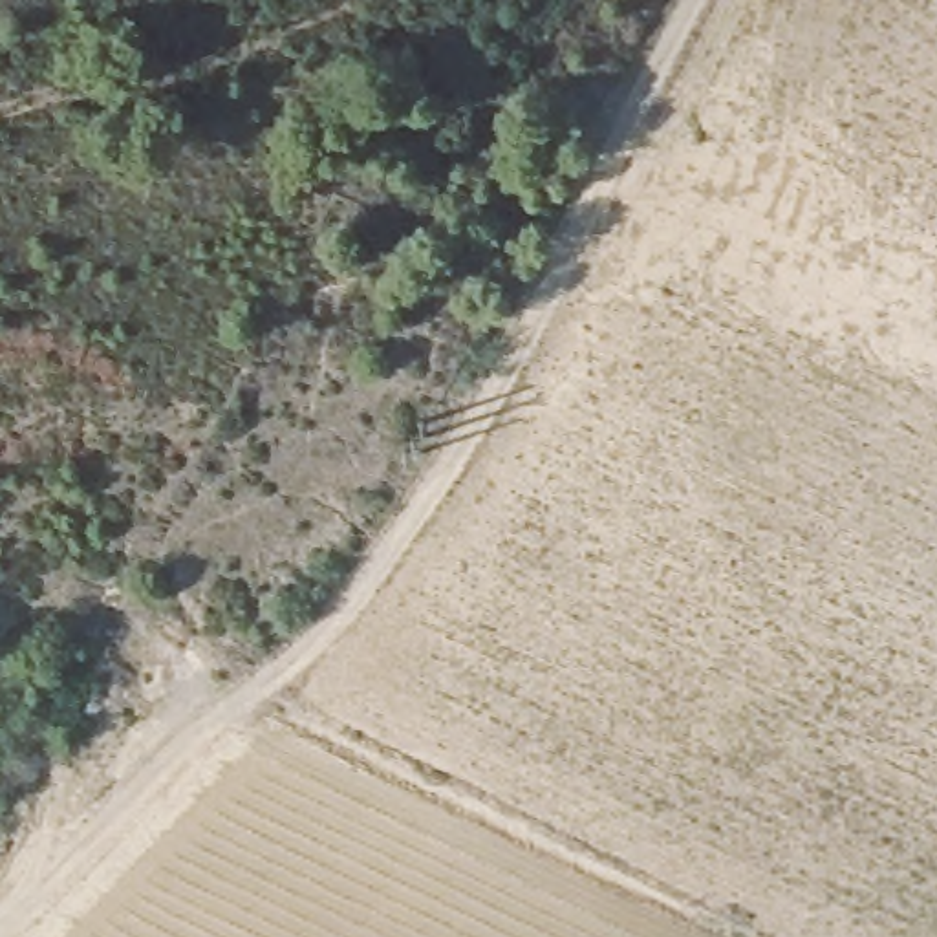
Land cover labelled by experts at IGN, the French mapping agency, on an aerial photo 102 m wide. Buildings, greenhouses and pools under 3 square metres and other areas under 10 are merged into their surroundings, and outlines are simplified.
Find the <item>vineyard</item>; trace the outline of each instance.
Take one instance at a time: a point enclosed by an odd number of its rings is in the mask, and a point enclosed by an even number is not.
[[[110,765],[124,743],[124,732],[110,728],[95,736],[77,758],[70,765],[51,769],[48,787],[37,798],[22,798],[18,809],[18,827],[66,827],[70,820],[92,824],[92,805],[113,794]]]
[[[582,190],[582,201],[589,205],[622,201],[622,223],[615,223],[608,234],[600,234],[593,245],[578,253],[586,260],[586,278],[575,289],[564,289],[512,315],[505,329],[512,351],[501,359],[494,377],[479,381],[476,406],[454,417],[447,447],[432,454],[432,465],[414,487],[414,494],[403,501],[403,512],[395,512],[392,523],[370,542],[366,560],[351,575],[351,586],[344,589],[340,604],[326,619],[296,633],[293,644],[282,644],[271,655],[245,681],[212,681],[212,666],[201,652],[183,652],[165,641],[154,641],[150,684],[139,684],[150,703],[150,717],[157,717],[168,703],[183,703],[187,710],[194,710],[198,721],[212,706],[220,706],[223,725],[245,725],[253,717],[249,739],[231,736],[209,758],[190,761],[190,769],[165,802],[143,805],[135,798],[121,813],[124,820],[135,820],[135,831],[55,911],[40,904],[33,919],[40,919],[44,926],[22,937],[937,937],[937,0],[673,0],[648,51],[652,92],[655,99],[670,102],[670,117],[648,135],[648,146],[637,146],[633,165],[622,176],[597,179]]]

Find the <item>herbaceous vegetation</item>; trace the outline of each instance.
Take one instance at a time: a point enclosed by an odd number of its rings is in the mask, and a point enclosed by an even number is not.
[[[0,0],[0,659],[15,652],[15,644],[33,630],[51,644],[51,673],[59,681],[88,677],[95,684],[88,710],[77,714],[77,725],[66,732],[66,747],[77,758],[95,736],[110,728],[124,732],[150,717],[150,703],[139,684],[150,684],[154,641],[165,641],[183,652],[201,652],[212,666],[212,681],[245,681],[271,655],[249,630],[223,637],[205,633],[205,608],[212,586],[220,578],[245,578],[249,586],[289,586],[311,564],[315,549],[337,549],[340,542],[348,542],[351,527],[359,527],[359,534],[370,542],[392,523],[395,512],[403,512],[403,501],[414,494],[414,487],[432,465],[432,454],[447,447],[454,417],[476,406],[479,381],[494,377],[501,359],[512,351],[505,329],[472,333],[447,311],[447,300],[465,278],[479,278],[487,296],[501,296],[498,311],[512,315],[564,289],[575,289],[586,278],[586,260],[578,253],[593,245],[600,234],[608,234],[615,223],[622,223],[622,201],[589,205],[582,201],[582,190],[597,179],[622,176],[633,165],[637,146],[648,146],[648,135],[670,117],[670,102],[655,99],[652,92],[648,51],[673,0],[77,0],[84,22],[102,33],[113,33],[124,18],[132,18],[128,44],[143,55],[139,73],[154,81],[154,92],[146,99],[165,110],[146,146],[146,161],[154,168],[146,176],[150,198],[139,198],[132,190],[110,187],[106,179],[99,179],[99,172],[81,168],[73,161],[73,150],[81,143],[73,143],[73,128],[99,113],[102,102],[62,102],[59,92],[40,88],[51,70],[44,29],[59,22],[66,0]],[[337,139],[348,150],[333,154],[333,179],[300,187],[293,194],[293,212],[282,220],[278,212],[271,212],[267,172],[264,157],[256,154],[256,143],[275,128],[282,113],[275,84],[289,88],[296,81],[293,70],[322,70],[333,59],[351,59],[366,66],[366,84],[384,110],[384,132],[359,132],[348,121],[337,124]],[[490,172],[494,113],[509,92],[523,99],[553,92],[567,106],[567,121],[575,124],[567,132],[567,146],[578,150],[582,172],[564,179],[560,201],[549,201],[549,194],[538,198],[538,212],[523,212],[520,198],[505,194]],[[403,205],[414,183],[439,187],[439,194],[454,201],[458,234],[450,234],[432,212],[410,212]],[[538,227],[542,264],[531,271],[531,278],[516,278],[516,264],[509,256],[509,242],[523,227]],[[410,307],[395,307],[388,337],[381,337],[373,329],[373,300],[351,289],[351,271],[329,282],[329,275],[315,260],[315,238],[333,234],[337,242],[344,238],[348,245],[359,245],[355,264],[370,278],[381,278],[384,256],[414,231],[425,231],[432,238],[432,256],[439,256],[443,264],[436,275],[410,275],[417,300]],[[26,260],[26,242],[40,242],[48,260],[59,264],[62,278],[55,293],[44,293],[40,275]],[[242,322],[242,348],[220,344],[220,315],[231,307],[231,300],[249,304],[249,318]],[[340,370],[333,362],[333,348],[370,351],[373,370],[381,377],[370,373],[362,384],[344,388],[344,381],[337,381]]]
[[[4,794],[4,813],[18,809],[22,798],[37,798],[48,787],[51,769],[44,739],[15,739],[15,758],[4,761],[4,772],[11,772],[18,783]]]
[[[110,165],[121,161],[135,113],[135,102],[124,99],[113,121],[106,124]]]

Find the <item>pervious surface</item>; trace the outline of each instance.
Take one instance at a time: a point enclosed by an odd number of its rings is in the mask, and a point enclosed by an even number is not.
[[[124,732],[124,743],[110,765],[113,794],[92,805],[92,824],[70,820],[66,827],[18,827],[0,831],[0,937],[22,937],[44,926],[40,919],[33,919],[40,904],[55,911],[135,831],[135,820],[124,820],[121,813],[135,798],[143,805],[165,802],[190,769],[190,761],[209,758],[231,736],[249,739],[253,717],[245,725],[223,725],[220,706],[212,706],[198,721],[194,710],[187,710],[183,703],[168,703],[157,717],[150,717]]]

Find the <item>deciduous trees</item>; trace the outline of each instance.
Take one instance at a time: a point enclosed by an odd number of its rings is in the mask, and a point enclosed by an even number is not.
[[[432,238],[425,231],[414,231],[384,256],[381,278],[370,278],[355,264],[359,245],[348,245],[344,238],[337,242],[333,234],[315,238],[315,260],[329,275],[329,282],[351,271],[351,289],[373,300],[373,329],[381,337],[388,337],[395,307],[410,307],[417,300],[410,275],[436,275],[443,264],[439,256],[432,256]]]
[[[344,388],[362,384],[370,373],[381,377],[373,370],[370,351],[333,348],[333,362],[340,370],[337,381],[344,381]]]
[[[4,794],[18,783],[11,772],[4,772],[4,761],[15,758],[15,739],[44,739],[51,769],[70,765],[77,758],[66,747],[66,732],[77,725],[77,714],[88,710],[95,684],[88,677],[59,681],[51,673],[51,644],[33,630],[15,644],[15,652],[0,659],[0,831],[18,827],[18,809],[4,813]]]
[[[296,633],[282,619],[282,597],[264,593],[256,600],[260,615],[271,622],[282,644],[293,644]]]
[[[505,329],[512,315],[498,311],[501,296],[487,296],[479,278],[465,278],[447,300],[447,311],[472,333]]]
[[[439,187],[414,183],[403,205],[410,212],[432,212],[450,234],[458,234],[454,201],[439,194]]]
[[[509,256],[516,264],[516,278],[531,278],[531,271],[542,264],[538,227],[523,227],[509,242]]]
[[[578,150],[567,146],[567,132],[575,124],[567,121],[567,106],[553,92],[523,99],[509,92],[494,113],[490,172],[505,194],[520,198],[523,212],[538,212],[538,198],[549,194],[549,201],[560,201],[564,179],[582,172]]]
[[[77,0],[66,0],[59,22],[44,29],[51,70],[40,88],[59,92],[62,102],[102,102],[99,113],[73,128],[73,143],[81,143],[73,150],[73,161],[81,168],[99,172],[99,179],[106,179],[110,187],[132,190],[139,198],[150,198],[146,176],[154,168],[146,161],[146,146],[165,110],[146,99],[154,92],[154,81],[139,73],[143,55],[128,44],[132,18],[124,18],[113,33],[102,33],[84,22]],[[121,161],[110,165],[106,124],[113,121],[124,99],[135,102],[135,113]]]
[[[242,322],[249,318],[249,304],[231,300],[231,307],[220,315],[220,344],[242,348]]]
[[[40,242],[26,242],[26,260],[40,275],[44,293],[55,293],[62,278],[59,264],[48,260]]]
[[[322,70],[293,70],[296,81],[289,88],[275,84],[282,113],[275,128],[256,143],[256,154],[264,157],[267,172],[271,212],[278,212],[282,220],[293,212],[293,194],[300,187],[333,179],[333,154],[348,150],[337,139],[337,124],[348,121],[359,132],[384,132],[384,110],[366,84],[366,66],[351,59],[333,59]]]

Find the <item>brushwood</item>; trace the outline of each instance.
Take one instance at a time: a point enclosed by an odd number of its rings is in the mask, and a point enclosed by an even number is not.
[[[264,593],[282,597],[282,619],[296,633],[326,619],[340,604],[344,589],[351,586],[351,575],[366,560],[370,542],[359,534],[359,527],[351,527],[348,542],[340,542],[337,549],[315,549],[311,564],[289,586],[249,586],[245,578],[220,578],[212,586],[205,608],[205,633],[223,637],[249,630],[271,655],[282,644],[271,622],[260,615],[256,600]]]

